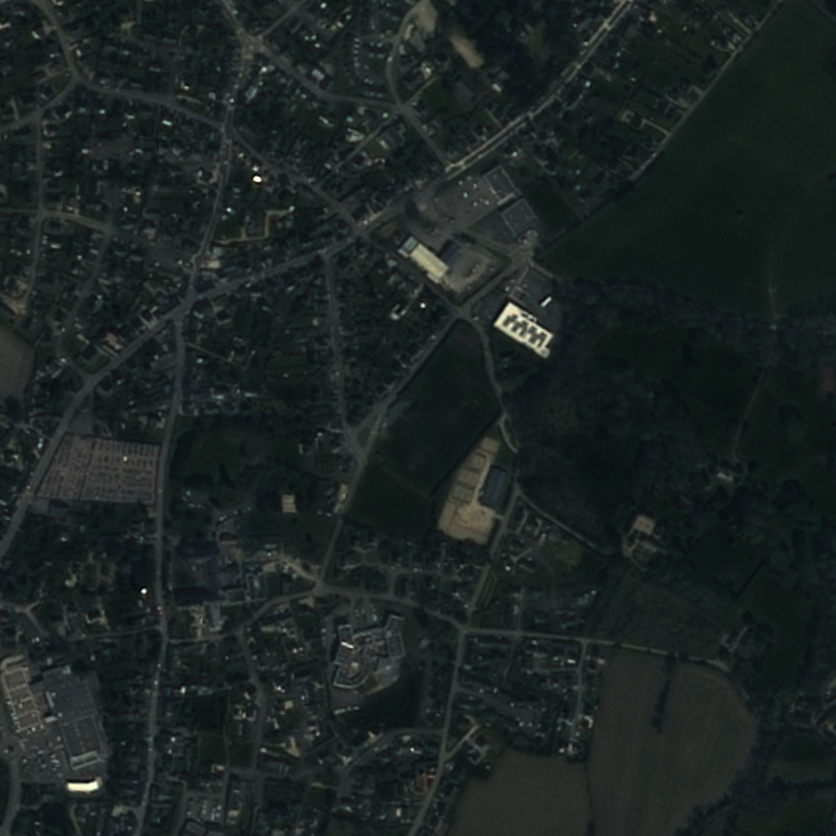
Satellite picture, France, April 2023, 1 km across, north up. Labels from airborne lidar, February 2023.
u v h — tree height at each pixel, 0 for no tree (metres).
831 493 0
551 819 0
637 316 23
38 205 0
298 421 11
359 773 8
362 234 0
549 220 0
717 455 0
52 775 0
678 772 0
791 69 0
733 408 0
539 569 0
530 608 0
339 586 0
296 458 0
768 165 0
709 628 8
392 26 0
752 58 0
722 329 19
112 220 0
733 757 0
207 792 0
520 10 27
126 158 0
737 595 23
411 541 14
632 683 0
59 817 20
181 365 0
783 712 12
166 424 0
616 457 0
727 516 8
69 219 0
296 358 0
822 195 0
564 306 20
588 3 7
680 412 27
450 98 0
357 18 0
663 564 16
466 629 0
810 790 13
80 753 0
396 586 0
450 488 0
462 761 0
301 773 0
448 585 0
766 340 20
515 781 0
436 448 0
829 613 20
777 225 0
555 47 20
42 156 0
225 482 25
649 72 0
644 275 0
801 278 0
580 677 0
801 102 0
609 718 0
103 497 0
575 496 12
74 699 0
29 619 0
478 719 8
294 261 0
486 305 0
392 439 0
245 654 0
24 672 0
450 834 0
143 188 7
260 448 22
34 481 0
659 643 7
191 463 0
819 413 0
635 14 0
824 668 14
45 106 0
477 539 0
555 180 8
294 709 0
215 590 0
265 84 7
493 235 0
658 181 0
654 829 0
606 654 0
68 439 0
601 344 0
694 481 14
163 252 0
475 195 0
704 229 0
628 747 0
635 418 21
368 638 0
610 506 0
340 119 0
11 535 0
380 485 0
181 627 0
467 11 28
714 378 0
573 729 0
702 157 0
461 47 0
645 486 18
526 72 26
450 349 0
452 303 10
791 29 0
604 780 0
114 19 12
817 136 0
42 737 0
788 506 25
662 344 0
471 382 0
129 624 8
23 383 0
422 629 8
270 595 0
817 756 0
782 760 0
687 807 0
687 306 16
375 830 16
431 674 0
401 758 0
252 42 0
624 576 14
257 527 0
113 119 6
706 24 7
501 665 0
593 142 9
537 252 10
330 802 17
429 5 0
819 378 0
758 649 10
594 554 6
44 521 6
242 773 0
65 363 0
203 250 0
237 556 0
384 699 0
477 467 0
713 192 0
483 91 12
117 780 8
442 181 0
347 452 0
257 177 0
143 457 0
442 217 0
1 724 0
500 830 0
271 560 0
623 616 9
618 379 22
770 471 0
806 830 0
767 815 24
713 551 0
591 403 21
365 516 0
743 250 0
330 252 0
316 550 0
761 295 0
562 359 22
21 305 0
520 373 7
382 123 0
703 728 0
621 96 0
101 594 10
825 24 0
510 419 11
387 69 0
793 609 0
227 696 0
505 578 0
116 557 12
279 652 0
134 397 9
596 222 0
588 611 12
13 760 0
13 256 0
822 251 0
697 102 0
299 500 9
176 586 0
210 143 0
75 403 0
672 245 0
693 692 0
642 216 0
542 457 13
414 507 0
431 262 0
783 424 22
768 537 16
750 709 10
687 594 21
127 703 16
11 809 0
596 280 0
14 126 0
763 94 0
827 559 32
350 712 0
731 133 0
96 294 0
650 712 0
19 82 0
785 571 20
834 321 26
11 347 0
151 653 6
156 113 0
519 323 0
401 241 0
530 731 0
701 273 0
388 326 8
